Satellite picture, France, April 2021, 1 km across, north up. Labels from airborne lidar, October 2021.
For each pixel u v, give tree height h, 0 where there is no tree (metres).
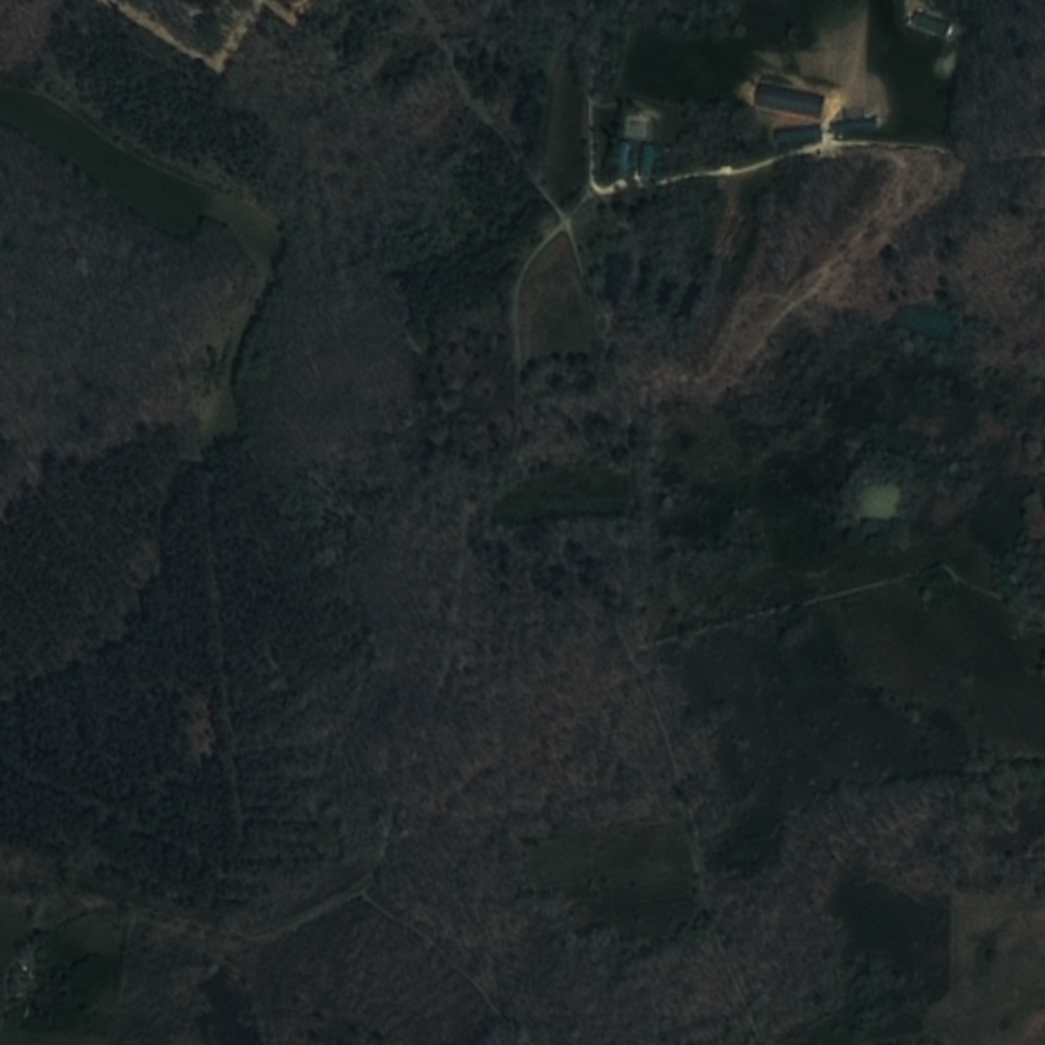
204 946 7
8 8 6
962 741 0
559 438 12
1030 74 13
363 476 11
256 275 10
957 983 0
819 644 0
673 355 9
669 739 15
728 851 0
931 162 0
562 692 12
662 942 6
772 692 0
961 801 14
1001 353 11
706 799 11
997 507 0
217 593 13
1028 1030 0
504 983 19
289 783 18
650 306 21
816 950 8
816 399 0
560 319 0
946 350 8
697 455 0
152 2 17
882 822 19
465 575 13
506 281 20
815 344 9
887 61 0
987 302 13
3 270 20
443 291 21
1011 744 0
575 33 16
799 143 0
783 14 0
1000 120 17
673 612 0
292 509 15
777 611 0
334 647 19
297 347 16
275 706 19
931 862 10
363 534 14
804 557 0
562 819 16
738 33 12
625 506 0
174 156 14
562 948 9
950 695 0
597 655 12
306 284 17
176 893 20
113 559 20
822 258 0
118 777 18
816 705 0
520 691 12
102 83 11
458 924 18
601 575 21
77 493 16
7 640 21
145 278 17
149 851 18
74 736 20
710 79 0
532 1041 22
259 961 7
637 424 10
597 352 10
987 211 16
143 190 0
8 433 19
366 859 19
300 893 15
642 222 16
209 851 18
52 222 23
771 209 13
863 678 0
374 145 16
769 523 0
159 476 23
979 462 0
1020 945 0
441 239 20
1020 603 14
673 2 11
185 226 0
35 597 19
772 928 12
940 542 0
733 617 0
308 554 10
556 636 14
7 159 15
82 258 20
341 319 16
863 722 0
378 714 14
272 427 16
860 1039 14
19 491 14
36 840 20
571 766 16
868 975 9
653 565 14
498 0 13
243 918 19
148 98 17
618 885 0
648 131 0
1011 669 0
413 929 6
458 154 16
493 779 16
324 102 11
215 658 19
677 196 11
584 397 18
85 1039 0
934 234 11
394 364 14
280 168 14
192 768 13
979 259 15
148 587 14
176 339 20
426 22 8
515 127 11
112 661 21
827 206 17
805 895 9
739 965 9
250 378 19
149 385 16
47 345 18
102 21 14
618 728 17
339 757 21
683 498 0
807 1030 7
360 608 13
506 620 14
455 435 9
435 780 16
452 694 12
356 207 17
